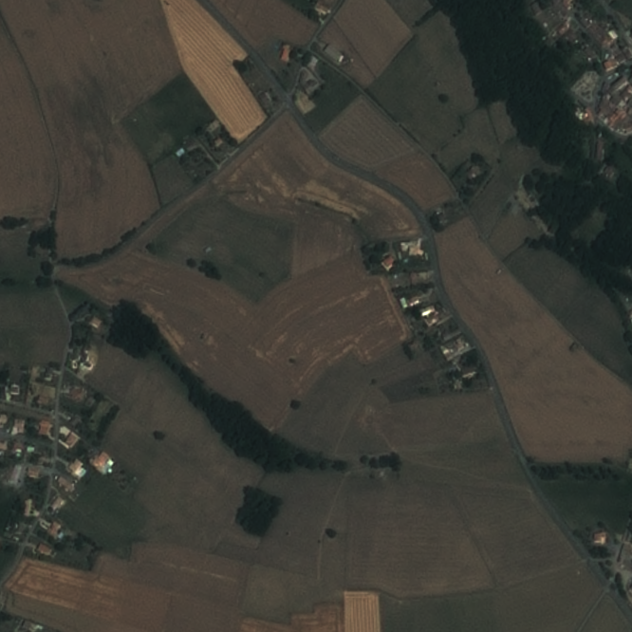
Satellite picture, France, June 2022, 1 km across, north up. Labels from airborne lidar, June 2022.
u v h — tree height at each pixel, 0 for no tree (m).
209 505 0
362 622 0
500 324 0
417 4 0
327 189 0
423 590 0
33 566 0
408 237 0
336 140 0
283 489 0
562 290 0
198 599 0
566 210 16
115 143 0
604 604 0
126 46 0
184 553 0
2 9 0
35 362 0
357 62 0
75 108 0
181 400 0
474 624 0
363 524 0
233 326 0
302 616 0
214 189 0
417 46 0
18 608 0
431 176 0
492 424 0
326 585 0
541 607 0
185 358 0
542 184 13
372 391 0
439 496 0
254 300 0
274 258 0
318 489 0
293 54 14
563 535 0
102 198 0
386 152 0
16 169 0
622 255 16
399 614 0
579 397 0
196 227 0
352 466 0
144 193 0
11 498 0
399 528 0
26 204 0
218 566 0
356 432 0
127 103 0
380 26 0
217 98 0
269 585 0
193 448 0
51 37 0
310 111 0
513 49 18
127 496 0
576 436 0
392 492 0
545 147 7
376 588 0
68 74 0
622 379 0
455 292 0
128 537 0
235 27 0
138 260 0
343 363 0
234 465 0
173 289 0
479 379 9
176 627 0
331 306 0
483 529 0
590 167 23
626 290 11
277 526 0
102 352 0
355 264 0
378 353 0
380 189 0
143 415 0
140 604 0
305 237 0
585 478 21
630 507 0
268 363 0
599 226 0
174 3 0
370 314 0
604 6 0
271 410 0
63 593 0
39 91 0
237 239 0
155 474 0
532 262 0
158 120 0
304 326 0
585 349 0
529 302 0
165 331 0
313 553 0
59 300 0
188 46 0
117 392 0
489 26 23
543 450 0
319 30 0
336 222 0
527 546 0
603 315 0
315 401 0
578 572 0
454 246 0
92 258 13
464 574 0
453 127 0
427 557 0
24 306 0
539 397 0
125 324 16
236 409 19
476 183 10
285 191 0
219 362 0
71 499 0
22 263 0
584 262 14
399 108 0
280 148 0
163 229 0
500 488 0
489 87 16
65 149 0
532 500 0
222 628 0
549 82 24
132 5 0
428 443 0
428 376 0
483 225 0
